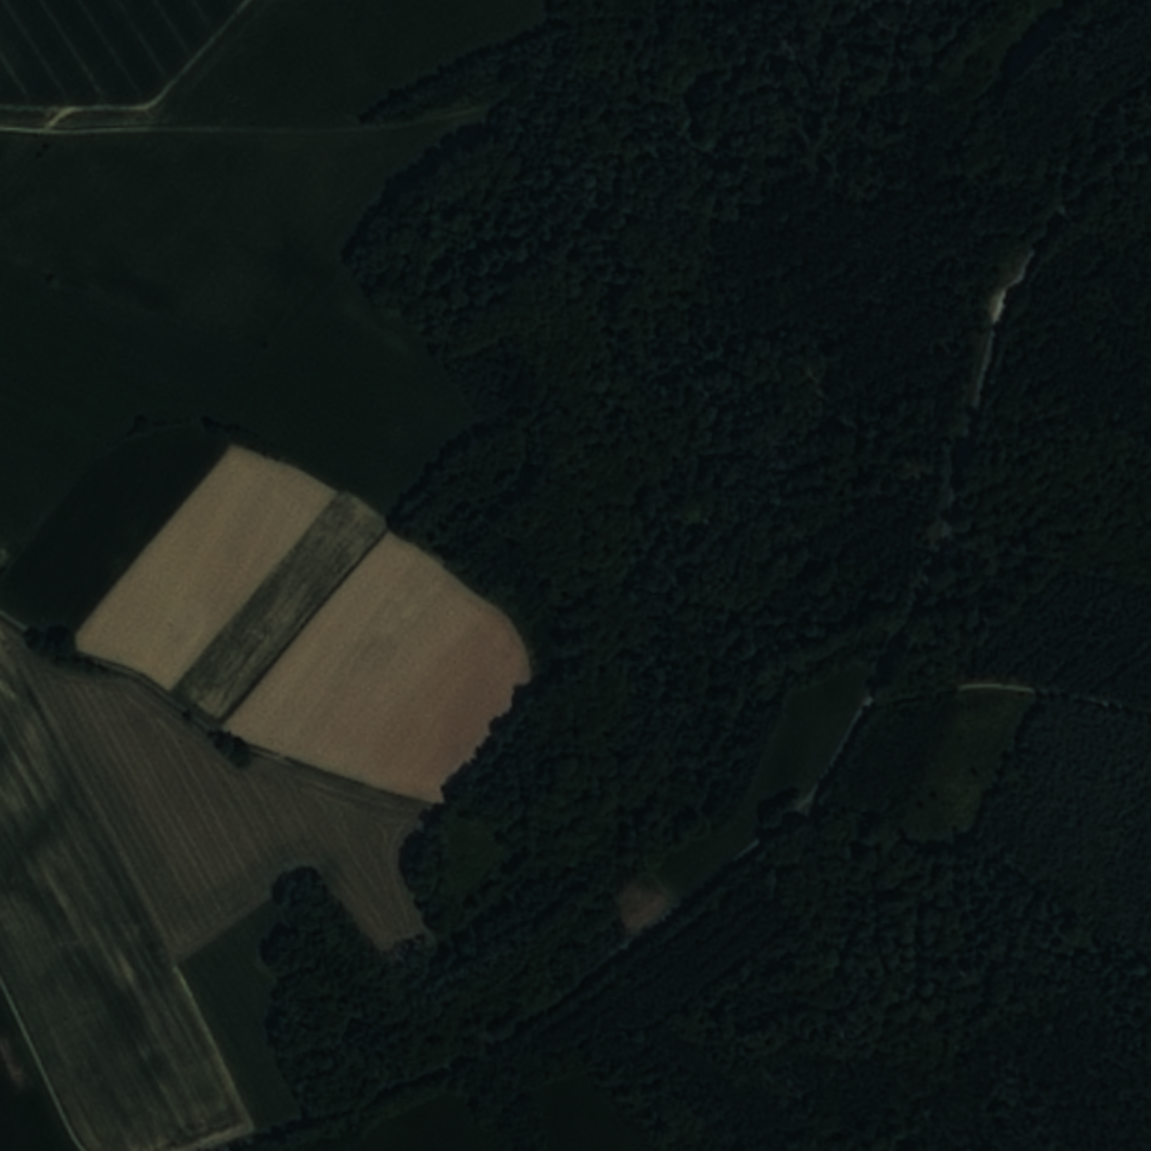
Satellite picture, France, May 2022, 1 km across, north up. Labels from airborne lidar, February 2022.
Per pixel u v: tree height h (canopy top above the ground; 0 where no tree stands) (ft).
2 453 0
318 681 0
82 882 0
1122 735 59
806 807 0
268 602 0
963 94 53
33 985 0
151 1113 0
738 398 20
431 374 0
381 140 0
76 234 0
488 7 0
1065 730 53
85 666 28
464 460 51
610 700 97
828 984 75
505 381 41
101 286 0
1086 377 50
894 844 85
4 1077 0
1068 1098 52
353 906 0
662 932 40
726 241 54
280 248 0
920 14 91
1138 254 36
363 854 0
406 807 0
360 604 0
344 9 0
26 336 0
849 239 55
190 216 0
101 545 0
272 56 0
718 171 124
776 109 90
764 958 22
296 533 0
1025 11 77
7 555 0
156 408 0
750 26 82
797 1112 52
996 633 32
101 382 0
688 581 109
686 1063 70
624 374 77
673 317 69
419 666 0
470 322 90
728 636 73
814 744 0
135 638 0
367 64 0
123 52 0
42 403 0
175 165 0
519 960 67
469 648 0
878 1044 59
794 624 42
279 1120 0
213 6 0
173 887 0
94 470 0
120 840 0
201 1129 0
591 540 86
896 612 91
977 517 60
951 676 51
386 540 0
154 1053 0
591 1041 45
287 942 63
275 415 0
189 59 0
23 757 0
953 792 0
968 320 49
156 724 0
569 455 91
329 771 0
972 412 0
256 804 0
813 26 103
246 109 0
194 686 0
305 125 0
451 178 100
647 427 70
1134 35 72
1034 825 54
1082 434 51
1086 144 66
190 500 0
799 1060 53
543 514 80
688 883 0
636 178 91
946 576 76
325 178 0
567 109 85
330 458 0
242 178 0
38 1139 0
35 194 0
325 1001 85
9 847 0
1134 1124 48
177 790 0
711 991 55
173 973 0
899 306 59
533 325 88
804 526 63
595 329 65
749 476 96
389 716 0
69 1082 0
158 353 0
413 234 86
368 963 82
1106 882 25
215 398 0
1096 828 43
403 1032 76
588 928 81
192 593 0
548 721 70
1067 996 46
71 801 0
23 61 0
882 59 100
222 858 0
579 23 87
